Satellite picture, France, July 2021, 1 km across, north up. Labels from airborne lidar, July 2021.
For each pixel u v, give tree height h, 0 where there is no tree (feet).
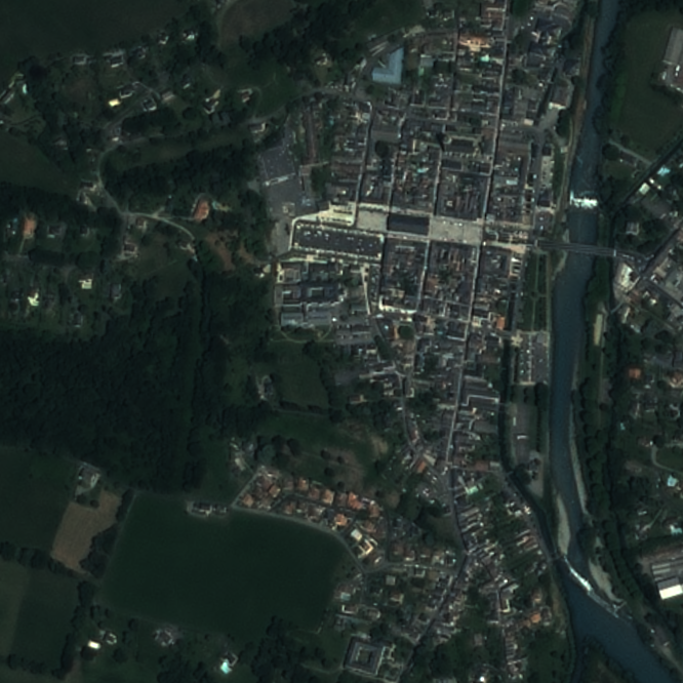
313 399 0
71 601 0
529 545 0
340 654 0
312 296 0
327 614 25
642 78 0
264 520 0
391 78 0
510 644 0
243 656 46
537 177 0
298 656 58
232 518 0
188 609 0
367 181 0
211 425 57
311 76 23
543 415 55
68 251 24
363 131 0
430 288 0
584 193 0
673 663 0
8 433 47
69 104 40
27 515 0
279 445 76
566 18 0
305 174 0
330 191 0
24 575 0
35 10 0
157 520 0
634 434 37
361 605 0
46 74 31
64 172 27
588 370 0
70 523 0
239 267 44
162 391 26
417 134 32
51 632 0
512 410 0
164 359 41
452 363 0
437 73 24
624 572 58
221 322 84
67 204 64
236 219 38
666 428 18
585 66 0
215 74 0
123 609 0
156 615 0
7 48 0
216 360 80
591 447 70
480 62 19
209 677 78
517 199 0
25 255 26
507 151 0
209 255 53
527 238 0
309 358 58
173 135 38
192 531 0
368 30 0
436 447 0
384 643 0
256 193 36
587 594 0
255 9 0
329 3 18
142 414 69
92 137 83
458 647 22
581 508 0
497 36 0
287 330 35
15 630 0
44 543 0
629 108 0
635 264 0
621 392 47
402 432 20
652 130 0
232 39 0
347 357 30
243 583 0
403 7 0
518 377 39
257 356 37
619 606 0
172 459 32
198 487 53
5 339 62
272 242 0
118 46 28
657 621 64
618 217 42
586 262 0
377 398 0
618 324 18
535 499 0
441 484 0
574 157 0
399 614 39
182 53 51
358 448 0
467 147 0
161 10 0
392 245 0
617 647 0
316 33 89
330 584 0
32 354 64
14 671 38
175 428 42
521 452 0
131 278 27
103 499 0
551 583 27
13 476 0
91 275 0
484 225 0
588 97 0
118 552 0
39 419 49
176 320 50
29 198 64
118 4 0
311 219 0
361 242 0
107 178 20
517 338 0
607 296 49
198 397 50
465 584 0
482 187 0
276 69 0
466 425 0
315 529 0
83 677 0
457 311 0
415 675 50
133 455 22
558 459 0
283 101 0
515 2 51
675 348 25
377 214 0
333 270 0
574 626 0
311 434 0
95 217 70
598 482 68
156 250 0
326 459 46
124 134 25
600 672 0
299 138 0
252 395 44
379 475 20
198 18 51
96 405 53
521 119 0
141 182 57
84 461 50
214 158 52
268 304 0
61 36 0
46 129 22
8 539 0
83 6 0
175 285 0
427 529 46
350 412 48
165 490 37
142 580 0
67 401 40
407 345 0
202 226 20
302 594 0
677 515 20
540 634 55
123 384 36
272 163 0
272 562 0
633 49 0
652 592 47
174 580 0
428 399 43
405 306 0
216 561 0
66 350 54
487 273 0
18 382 102
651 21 0
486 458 47
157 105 19
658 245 22
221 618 0
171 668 74
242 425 78
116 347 76
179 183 56
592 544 79
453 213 0
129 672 0
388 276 0
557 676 62
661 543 44
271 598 0
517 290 0
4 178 0
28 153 0
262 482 0
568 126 60
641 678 0
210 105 0
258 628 0
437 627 0
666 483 29
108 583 0
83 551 0
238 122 89
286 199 0
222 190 54
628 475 30
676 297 0
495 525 20
